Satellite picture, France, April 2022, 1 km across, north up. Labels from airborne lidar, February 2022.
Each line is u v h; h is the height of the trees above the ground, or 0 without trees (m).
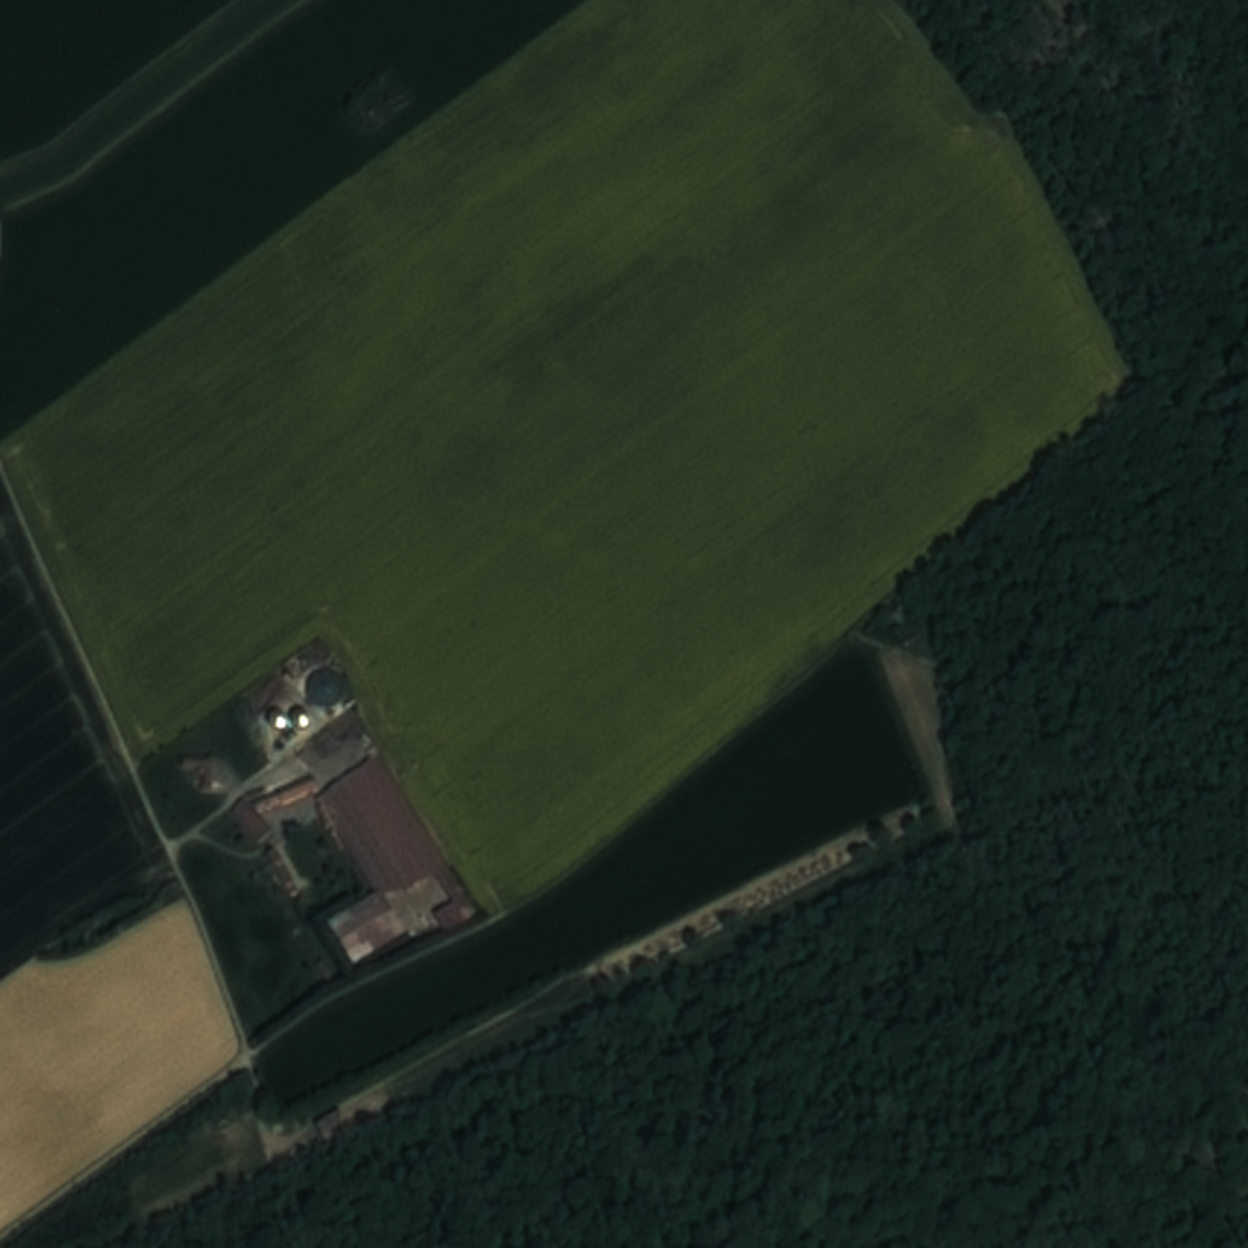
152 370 0
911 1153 25
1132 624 24
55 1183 0
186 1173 0
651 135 0
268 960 0
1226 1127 22
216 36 0
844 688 0
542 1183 24
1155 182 22
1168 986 25
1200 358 20
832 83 0
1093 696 22
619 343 0
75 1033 0
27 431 0
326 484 0
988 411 0
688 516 0
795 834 0
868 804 0
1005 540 27
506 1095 26
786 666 0
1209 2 21
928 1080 20
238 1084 15
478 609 0
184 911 0
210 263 0
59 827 0
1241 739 21
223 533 0
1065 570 26
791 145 0
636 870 0
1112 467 26
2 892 0
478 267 0
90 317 0
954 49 13
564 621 0
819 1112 18
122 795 0
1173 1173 23
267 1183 13
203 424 0
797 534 0
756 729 0
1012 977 27
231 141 0
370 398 0
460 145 0
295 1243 22
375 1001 0
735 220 0
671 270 0
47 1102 0
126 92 0
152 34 0
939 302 0
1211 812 24
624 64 0
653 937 0
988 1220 28
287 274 0
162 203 0
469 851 0
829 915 9
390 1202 25
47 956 10
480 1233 27
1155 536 17
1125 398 14
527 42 0
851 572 0
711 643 0
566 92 0
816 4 0
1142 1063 21
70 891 0
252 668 0
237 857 0
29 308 0
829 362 0
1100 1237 23
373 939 0
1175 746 26
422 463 0
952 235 0
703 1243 27
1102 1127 25
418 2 0
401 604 0
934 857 19
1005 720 26
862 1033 25
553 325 0
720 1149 26
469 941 0
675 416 0
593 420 0
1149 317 15
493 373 0
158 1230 15
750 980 16
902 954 19
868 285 0
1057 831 18
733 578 0
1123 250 23
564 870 0
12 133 0
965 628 24
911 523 0
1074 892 27
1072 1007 24
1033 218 0
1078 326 0
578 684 0
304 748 0
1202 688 26
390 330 0
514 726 0
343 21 0
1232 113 23
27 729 0
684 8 0
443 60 0
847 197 0
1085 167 21
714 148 0
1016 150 0
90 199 0
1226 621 17
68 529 0
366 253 0
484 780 0
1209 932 17
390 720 0
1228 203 21
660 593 0
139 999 0
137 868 0
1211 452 22
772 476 0
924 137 0
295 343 0
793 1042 17
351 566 0
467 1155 25
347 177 0
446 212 0
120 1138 0
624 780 0
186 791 0
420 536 0
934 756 0
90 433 0
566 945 0
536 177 0
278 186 0
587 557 0
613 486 0
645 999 23
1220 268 19
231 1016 0
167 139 0
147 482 0
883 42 0
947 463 0
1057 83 22
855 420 0
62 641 0
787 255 0
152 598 0
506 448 0
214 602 0
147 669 0
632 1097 23
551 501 0
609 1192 19
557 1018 0
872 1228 22
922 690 0
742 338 0
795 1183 21
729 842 0
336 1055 0
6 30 0
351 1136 22
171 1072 0
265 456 0
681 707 0
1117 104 19
